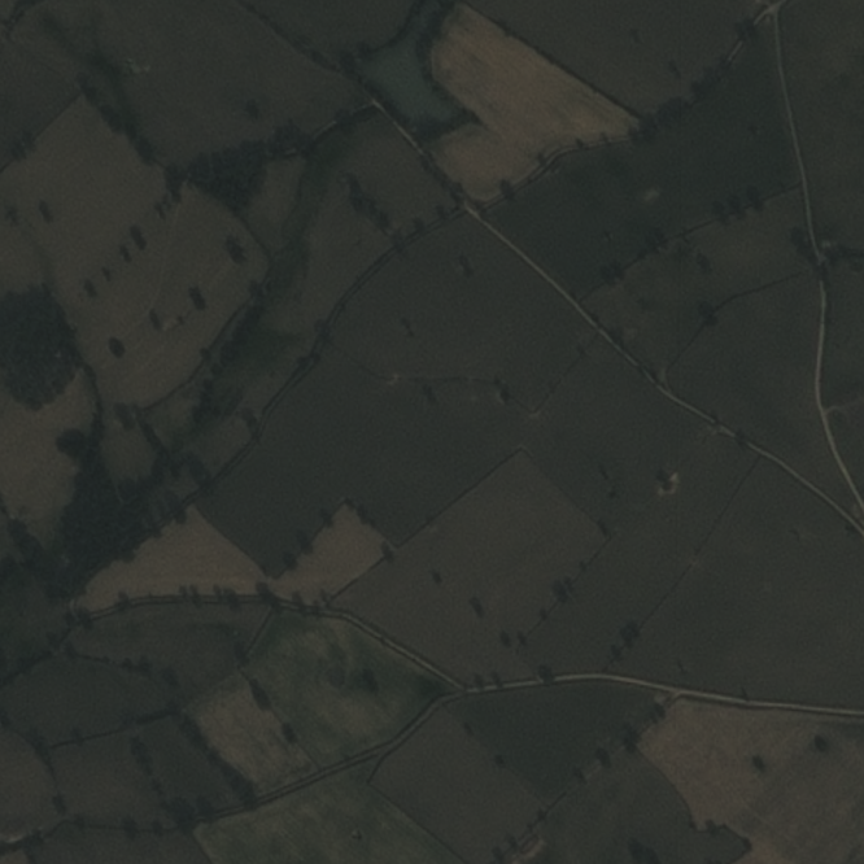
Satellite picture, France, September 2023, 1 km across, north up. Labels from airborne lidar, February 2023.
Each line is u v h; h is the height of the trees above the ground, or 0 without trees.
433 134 15
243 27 0
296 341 0
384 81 0
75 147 0
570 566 0
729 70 14
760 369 0
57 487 0
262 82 0
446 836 0
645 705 0
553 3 0
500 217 0
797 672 0
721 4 0
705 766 0
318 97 0
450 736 0
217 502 0
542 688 0
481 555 0
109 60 0
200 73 0
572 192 0
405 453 0
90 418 0
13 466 0
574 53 0
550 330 0
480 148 0
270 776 0
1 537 0
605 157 0
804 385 0
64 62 0
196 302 15
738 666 0
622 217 0
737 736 0
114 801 0
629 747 10
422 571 0
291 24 0
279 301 0
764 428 0
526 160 0
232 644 0
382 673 0
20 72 0
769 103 0
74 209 0
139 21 0
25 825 0
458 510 0
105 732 0
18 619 0
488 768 0
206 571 0
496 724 0
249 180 19
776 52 0
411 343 0
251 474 0
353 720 0
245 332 12
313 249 0
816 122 0
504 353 0
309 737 0
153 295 0
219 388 0
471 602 0
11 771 0
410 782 0
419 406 0
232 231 0
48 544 0
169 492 0
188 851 0
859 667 0
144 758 18
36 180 0
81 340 0
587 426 0
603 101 0
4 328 22
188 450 0
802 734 0
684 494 0
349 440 0
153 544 0
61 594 14
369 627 0
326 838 0
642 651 0
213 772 0
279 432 0
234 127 0
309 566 0
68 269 0
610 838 0
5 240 0
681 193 0
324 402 0
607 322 0
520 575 0
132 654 0
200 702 0
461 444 0
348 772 0
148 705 0
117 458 0
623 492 0
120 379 0
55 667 0
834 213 0
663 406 0
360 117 8
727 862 0
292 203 0
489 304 0
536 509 0
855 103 0
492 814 0
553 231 0
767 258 0
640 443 0
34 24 0
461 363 0
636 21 0
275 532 0
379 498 0
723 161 0
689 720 0
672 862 0
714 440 0
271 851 0
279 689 0
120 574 0
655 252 13
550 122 0
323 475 0
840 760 0
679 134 0
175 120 0
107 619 0
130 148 0
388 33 0
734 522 0
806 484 0
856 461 0
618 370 0
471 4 0
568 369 0
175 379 0
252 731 0
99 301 0
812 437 0
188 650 0
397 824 0
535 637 0
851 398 0
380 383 0
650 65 0
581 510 0
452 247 0
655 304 0
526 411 0
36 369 15
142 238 15
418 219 0
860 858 0
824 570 0
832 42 0
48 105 0
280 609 12
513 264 0
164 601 0
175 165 0
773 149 0
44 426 0
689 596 0
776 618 0
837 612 0
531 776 0
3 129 0
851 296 0
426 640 0
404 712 0
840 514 0
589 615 0
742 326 0
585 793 0
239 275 0
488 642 0
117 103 0
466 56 0
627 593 0
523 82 0
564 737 0
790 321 0
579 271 0
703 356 0
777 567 0
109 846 0
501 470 0
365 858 0
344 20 0
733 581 0
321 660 0
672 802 0
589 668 0
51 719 0
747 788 0
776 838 0
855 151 0
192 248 0
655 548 0
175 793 0
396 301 0
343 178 0
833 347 0
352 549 0
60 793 0
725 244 0
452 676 0
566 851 0
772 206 0
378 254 0
